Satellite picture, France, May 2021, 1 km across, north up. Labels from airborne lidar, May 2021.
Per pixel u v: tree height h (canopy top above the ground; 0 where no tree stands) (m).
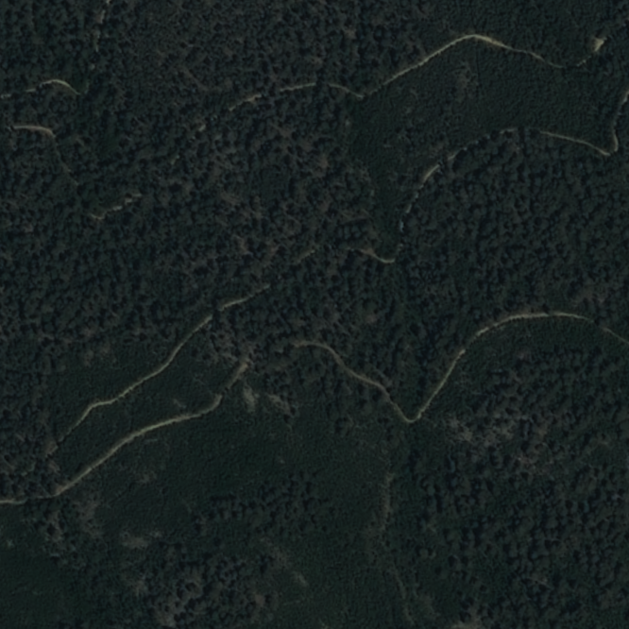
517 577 27
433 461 11
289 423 19
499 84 15
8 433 24
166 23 28
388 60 12
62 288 28
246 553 8
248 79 8
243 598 17
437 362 32
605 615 14
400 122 8
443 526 11
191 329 11
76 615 9
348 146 11
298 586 8
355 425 8
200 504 7
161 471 6
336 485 14
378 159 10
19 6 28
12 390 25
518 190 28
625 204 28
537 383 8
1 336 29
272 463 6
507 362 7
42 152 8
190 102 24
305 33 30
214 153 23
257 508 27
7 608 7
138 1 17
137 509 9
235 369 9
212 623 9
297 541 11
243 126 15
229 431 11
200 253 24
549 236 27
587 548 8
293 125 29
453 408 9
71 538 21
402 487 18
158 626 15
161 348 10
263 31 20
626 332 12
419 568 10
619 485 22
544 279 30
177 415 7
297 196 30
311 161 24
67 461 10
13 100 12
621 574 26
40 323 25
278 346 23
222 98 13
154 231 10
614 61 28
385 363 24
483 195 27
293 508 23
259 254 35
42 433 28
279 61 30
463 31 12
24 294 32
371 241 32
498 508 14
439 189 6
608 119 15
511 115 12
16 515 8
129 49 23
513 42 14
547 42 22
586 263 11
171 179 28
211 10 30
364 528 13
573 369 11
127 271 32
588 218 26
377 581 13
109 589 16
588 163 37
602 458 9
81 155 33
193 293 7
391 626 13
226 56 19
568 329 11
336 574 11
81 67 27
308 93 7
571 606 13
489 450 6
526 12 22
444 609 11
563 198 7
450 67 9
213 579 13
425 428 8
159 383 6
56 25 31
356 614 14
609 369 27
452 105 17
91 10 11
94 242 10
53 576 9
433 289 24
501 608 18
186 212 26
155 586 17
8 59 15
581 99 14
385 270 34
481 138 7
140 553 7
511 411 9
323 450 12
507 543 23
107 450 11
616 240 15
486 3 16
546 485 10
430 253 8
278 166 6
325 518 14
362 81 18
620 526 23
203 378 6
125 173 31
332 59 27
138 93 28
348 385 13
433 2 11
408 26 27
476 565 9
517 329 6
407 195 8
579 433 10
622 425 30
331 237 9
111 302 7
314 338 23
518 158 29
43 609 8
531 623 29
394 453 11
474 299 14
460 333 9
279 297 13
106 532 6
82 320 25
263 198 13
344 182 29
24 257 11
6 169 9
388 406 7
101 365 6
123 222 7
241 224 14
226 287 17
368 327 9
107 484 6
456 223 26
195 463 7
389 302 29
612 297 14
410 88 8
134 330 34
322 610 10
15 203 28
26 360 20
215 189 10
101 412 7
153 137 14
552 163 9
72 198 16
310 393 8
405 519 11
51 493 17
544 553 20
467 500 26
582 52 17
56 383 10
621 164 15
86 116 25
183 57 27
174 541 11
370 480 8
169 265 25
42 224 25
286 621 7
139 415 11
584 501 9
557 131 16
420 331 33
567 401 23
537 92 16
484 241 28
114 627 29
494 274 26
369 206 34
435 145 18
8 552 7
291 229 29
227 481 9
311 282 24
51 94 26
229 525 11
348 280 18
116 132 14
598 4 16
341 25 25
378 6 33
